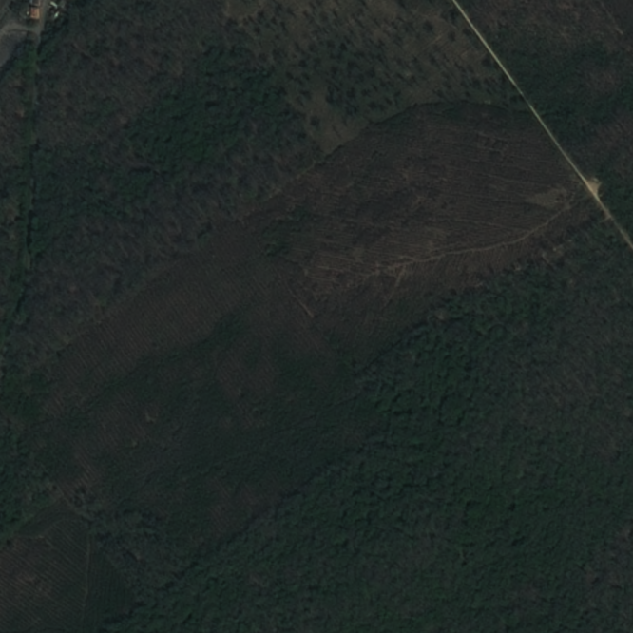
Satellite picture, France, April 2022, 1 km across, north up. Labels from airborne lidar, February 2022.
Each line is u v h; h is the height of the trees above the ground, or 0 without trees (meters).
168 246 27
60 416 10
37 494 24
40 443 12
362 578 28
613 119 22
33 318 22
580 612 24
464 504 23
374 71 0
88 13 27
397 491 25
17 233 27
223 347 12
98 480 13
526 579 21
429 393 29
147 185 23
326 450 11
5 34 0
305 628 27
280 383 11
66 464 10
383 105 0
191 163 30
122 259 28
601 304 27
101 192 30
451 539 28
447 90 0
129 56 29
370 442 16
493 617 24
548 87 18
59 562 6
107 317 13
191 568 24
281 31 26
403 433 25
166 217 33
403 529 26
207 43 19
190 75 28
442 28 0
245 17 0
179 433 6
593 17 0
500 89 29
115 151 29
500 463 28
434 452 22
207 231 10
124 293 26
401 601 27
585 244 33
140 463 7
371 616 28
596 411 23
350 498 29
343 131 0
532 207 7
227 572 26
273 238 12
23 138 30
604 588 23
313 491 22
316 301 11
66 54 22
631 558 23
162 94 25
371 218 6
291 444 9
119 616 6
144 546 26
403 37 31
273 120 26
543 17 0
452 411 27
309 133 25
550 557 25
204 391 9
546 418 30
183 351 11
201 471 9
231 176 28
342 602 27
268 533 25
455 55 0
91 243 29
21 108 29
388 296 9
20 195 30
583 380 26
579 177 0
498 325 27
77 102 28
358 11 0
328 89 0
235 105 25
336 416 8
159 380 12
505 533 24
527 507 22
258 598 25
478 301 29
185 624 23
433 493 26
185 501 9
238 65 21
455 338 25
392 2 0
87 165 28
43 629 6
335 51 22
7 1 0
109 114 28
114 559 29
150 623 28
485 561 27
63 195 29
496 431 28
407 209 8
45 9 0
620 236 26
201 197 27
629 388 30
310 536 26
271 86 24
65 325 25
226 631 27
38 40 0
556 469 28
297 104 0
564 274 32
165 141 22
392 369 24
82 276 31
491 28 0
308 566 27
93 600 6
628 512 23
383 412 22
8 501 23
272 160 29
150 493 11
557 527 26
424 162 6
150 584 28
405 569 26
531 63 0
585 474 29
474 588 21
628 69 20
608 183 20
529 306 24
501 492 25
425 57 0
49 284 26
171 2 28
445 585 26
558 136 17
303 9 0
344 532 22
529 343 25
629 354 26
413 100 0
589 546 23
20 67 18
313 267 6
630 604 24
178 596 24
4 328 31
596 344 29
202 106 22
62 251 32
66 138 28
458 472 27
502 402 25
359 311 11
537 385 25
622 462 24
